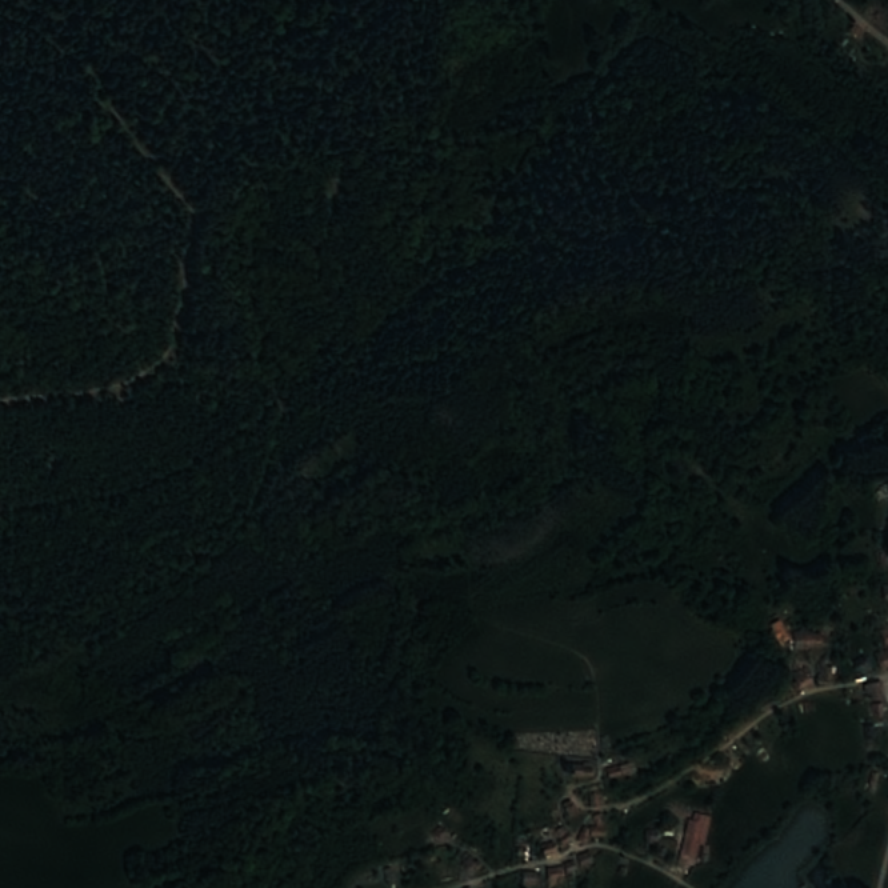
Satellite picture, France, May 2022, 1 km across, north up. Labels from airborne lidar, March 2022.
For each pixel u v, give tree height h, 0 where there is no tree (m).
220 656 19
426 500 28
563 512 27
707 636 0
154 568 35
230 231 12
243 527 29
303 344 25
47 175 31
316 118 36
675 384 11
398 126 15
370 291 18
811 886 0
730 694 24
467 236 31
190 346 26
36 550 20
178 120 30
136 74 34
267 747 30
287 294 19
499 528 25
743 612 19
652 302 26
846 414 9
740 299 23
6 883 0
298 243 18
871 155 31
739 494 25
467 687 0
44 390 11
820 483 29
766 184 19
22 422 11
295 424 16
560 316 11
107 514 21
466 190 8
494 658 0
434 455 16
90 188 28
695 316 22
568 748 0
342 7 32
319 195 24
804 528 24
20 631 23
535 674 0
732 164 25
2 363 12
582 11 0
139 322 14
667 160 26
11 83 17
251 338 17
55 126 29
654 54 19
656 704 0
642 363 31
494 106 8
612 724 0
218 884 31
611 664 0
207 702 40
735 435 13
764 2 0
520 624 0
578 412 30
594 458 14
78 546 23
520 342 22
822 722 0
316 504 35
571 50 0
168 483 25
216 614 23
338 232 23
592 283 35
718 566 0
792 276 19
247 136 35
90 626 20
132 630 18
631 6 25
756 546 0
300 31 32
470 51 24
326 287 22
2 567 20
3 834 0
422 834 0
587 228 12
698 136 27
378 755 35
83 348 17
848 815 0
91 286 17
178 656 32
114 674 7
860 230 0
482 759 0
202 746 31
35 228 18
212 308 26
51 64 17
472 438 16
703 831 0
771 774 0
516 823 7
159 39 35
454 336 24
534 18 31
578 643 0
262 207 16
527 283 25
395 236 24
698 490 14
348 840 6
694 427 13
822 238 20
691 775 0
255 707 22
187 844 7
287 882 16
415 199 18
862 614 0
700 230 37
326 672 25
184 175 28
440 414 21
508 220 22
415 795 22
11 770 17
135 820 0
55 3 20
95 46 37
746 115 31
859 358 13
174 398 20
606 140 23
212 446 20
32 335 16
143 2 11
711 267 30
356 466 12
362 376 25
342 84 40
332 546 21
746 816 0
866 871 0
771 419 17
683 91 22
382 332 22
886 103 15
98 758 14
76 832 0
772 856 0
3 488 11
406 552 29
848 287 35
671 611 0
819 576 29
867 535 6
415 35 24
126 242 24
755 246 32
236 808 12
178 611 19
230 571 28
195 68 24
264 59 28
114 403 22
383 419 12
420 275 22
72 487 16
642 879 0
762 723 0
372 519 32
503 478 9
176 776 20
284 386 17
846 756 0
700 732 9
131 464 22
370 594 29
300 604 25
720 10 0
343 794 13
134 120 10
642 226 33
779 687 21
